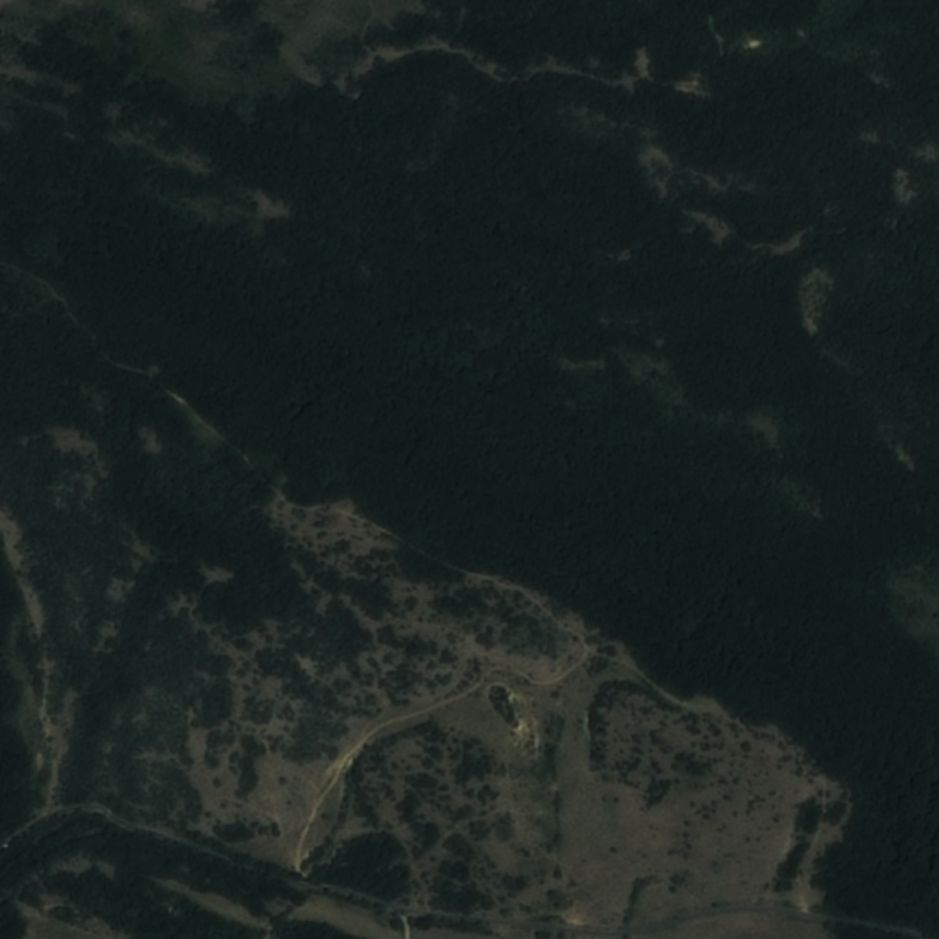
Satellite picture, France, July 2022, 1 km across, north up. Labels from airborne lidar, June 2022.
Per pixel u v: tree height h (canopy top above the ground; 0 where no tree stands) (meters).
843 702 16
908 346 21
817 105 11
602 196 14
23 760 10
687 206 9
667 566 14
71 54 8
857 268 6
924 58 9
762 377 15
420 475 19
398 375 13
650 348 8
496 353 11
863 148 11
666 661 15
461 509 16
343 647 8
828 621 16
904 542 12
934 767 14
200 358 8
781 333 14
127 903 10
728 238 5
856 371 9
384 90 9
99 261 15
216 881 6
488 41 10
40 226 9
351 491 11
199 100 7
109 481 7
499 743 0
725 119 13
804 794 0
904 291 19
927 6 7
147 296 15
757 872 0
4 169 7
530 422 13
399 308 15
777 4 10
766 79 10
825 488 12
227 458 6
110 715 7
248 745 6
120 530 6
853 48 6
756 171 11
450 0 7
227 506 6
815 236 8
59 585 6
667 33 7
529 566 12
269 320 18
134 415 9
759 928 0
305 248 10
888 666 13
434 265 14
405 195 14
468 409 8
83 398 6
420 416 11
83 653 5
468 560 9
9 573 7
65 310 8
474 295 14
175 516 14
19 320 7
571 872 0
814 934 0
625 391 8
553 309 13
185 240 14
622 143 6
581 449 14
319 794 0
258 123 7
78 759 9
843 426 11
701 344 13
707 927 0
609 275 10
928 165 9
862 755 9
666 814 0
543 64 7
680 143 6
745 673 15
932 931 11
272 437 9
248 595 9
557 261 11
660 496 13
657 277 12
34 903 7
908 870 17
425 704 0
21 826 11
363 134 10
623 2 8
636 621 14
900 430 6
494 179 11
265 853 0
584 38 9
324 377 19
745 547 17
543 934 7
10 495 6
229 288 20
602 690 5
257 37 7
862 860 11
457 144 9
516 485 16
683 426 10
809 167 12
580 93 6
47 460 7
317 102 10
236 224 7
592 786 0
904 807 22
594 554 16
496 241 11
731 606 22
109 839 8
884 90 6
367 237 11
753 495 10
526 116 12
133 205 8
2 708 7
